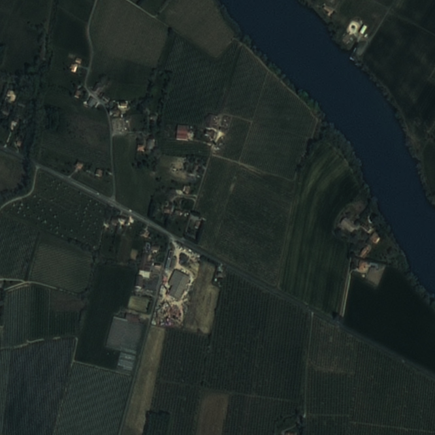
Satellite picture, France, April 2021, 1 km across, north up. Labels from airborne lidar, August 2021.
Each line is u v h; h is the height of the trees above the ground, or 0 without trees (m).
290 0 0
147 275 0
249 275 0
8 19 0
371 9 0
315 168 0
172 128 0
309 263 0
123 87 0
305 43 0
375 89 0
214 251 0
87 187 0
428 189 7
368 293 0
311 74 0
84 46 0
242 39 12
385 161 0
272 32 0
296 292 0
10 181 0
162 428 17
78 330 6
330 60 0
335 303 0
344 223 0
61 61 0
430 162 0
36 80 31
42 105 23
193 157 9
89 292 13
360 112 0
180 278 0
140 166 16
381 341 0
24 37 0
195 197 0
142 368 0
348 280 0
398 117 12
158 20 0
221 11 7
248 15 0
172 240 0
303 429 12
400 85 0
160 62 7
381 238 13
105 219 10
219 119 0
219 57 0
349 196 0
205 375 5
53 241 0
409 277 12
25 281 0
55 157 0
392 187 0
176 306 0
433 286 0
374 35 0
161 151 14
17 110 10
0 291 6
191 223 6
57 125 21
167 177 0
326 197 0
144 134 17
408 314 0
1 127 10
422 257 0
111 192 0
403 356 0
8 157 0
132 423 0
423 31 0
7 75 16
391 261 8
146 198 0
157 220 7
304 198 0
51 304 0
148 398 0
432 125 0
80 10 0
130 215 0
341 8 0
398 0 0
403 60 0
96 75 0
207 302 0
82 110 0
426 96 0
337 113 0
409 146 17
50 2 0
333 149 0
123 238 0
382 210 0
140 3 7
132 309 0
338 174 0
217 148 0
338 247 0
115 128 0
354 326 0
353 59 20
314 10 0
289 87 10
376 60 0
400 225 0
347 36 0
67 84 0
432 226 0
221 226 0
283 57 0
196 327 0
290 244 0
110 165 0
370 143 0
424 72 0
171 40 0
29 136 14
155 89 16
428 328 0
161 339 0
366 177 0
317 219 0
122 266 0
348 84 0
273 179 0
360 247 11
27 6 0
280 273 0
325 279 0
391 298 0
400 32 0
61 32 0
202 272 0
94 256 16
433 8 0
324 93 0
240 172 6
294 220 0
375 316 0
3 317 9
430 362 0
